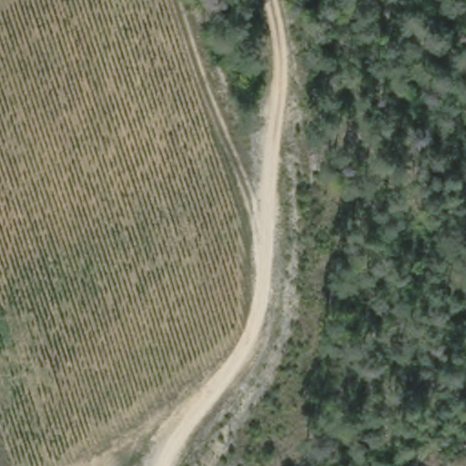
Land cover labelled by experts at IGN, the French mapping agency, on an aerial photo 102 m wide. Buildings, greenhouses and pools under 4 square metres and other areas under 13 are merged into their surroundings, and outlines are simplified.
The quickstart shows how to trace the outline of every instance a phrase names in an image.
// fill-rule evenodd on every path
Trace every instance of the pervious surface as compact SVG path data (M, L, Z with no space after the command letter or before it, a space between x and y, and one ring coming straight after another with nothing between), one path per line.
M249 215L253 235L255 282L248 324L238 340L237 348L233 349L228 360L215 371L215 375L204 380L202 388L195 391L186 402L177 404L177 408L162 422L157 435L151 439L151 450L142 459L144 466L175 466L180 461L180 453L186 446L189 435L197 428L198 422L206 417L206 413L220 399L220 395L228 390L231 380L237 377L238 371L242 370L246 360L251 357L257 344L258 331L268 309L271 297L271 266L275 255L275 226L279 222L280 211L277 180L284 106L288 95L288 36L280 13L279 0L266 0L264 9L273 46L273 78L268 89L264 91L264 96L260 98L258 106L266 124L260 129L260 184L257 193L251 195L253 213Z

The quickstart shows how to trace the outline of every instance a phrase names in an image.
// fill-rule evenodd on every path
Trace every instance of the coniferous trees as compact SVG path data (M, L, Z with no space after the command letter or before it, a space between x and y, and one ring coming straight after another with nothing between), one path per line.
M299 220L302 222L299 237L313 238L315 246L302 249L299 253L299 271L293 284L299 293L297 319L291 320L289 324L291 335L284 344L282 360L275 371L273 384L264 391L257 404L249 404L248 424L237 431L229 431L228 451L220 457L217 466L466 466L466 0L279 0L280 13L288 36L297 44L297 71L306 80L308 109L311 111L311 120L299 122L295 126L295 131L306 135L306 142L311 149L319 144L328 146L319 169L313 171L315 182L300 182L297 186L297 206Z
M264 96L264 91L268 89L273 78L273 46L264 9L266 0L202 0L206 9L211 11L211 16L209 20L202 22L200 29L215 31L215 36L208 40L209 47L206 53L209 62L222 67L222 71L226 73L229 93L237 100L238 109L255 111L258 106L260 98Z

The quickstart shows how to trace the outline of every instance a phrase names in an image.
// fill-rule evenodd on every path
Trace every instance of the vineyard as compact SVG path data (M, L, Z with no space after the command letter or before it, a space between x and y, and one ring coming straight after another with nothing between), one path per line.
M222 67L209 62L206 53L209 47L208 40L215 36L215 31L200 29L202 22L209 20L211 16L211 11L206 9L202 0L0 0L0 466L144 466L142 459L151 450L151 439L157 435L162 422L177 408L177 404L186 402L195 391L202 388L204 380L215 375L215 371L228 360L233 349L237 348L238 340L248 324L255 282L253 235L249 215L253 213L251 195L257 193L260 184L260 129L266 124L258 106L255 111L238 109L237 100L229 93L226 73L222 71Z

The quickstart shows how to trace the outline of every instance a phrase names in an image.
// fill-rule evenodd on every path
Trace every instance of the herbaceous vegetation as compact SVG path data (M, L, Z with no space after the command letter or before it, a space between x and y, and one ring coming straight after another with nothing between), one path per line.
M291 320L297 319L299 293L293 284L299 271L299 253L302 249L315 246L313 238L299 237L302 222L299 220L297 206L297 186L300 182L315 182L313 171L319 169L328 146L319 144L311 149L306 142L306 135L295 131L295 126L299 122L311 120L311 111L308 109L306 80L297 71L297 44L288 36L288 95L284 106L277 180L280 211L279 222L275 226L275 255L271 266L271 297L268 309L258 331L257 344L251 357L246 360L242 370L238 371L237 377L231 380L228 390L220 395L220 399L206 413L206 417L198 422L197 428L189 435L186 446L180 453L180 461L175 466L217 466L220 457L228 451L229 431L237 431L248 424L249 404L257 404L264 391L273 384L275 371L282 360L284 344L291 335L289 324Z

